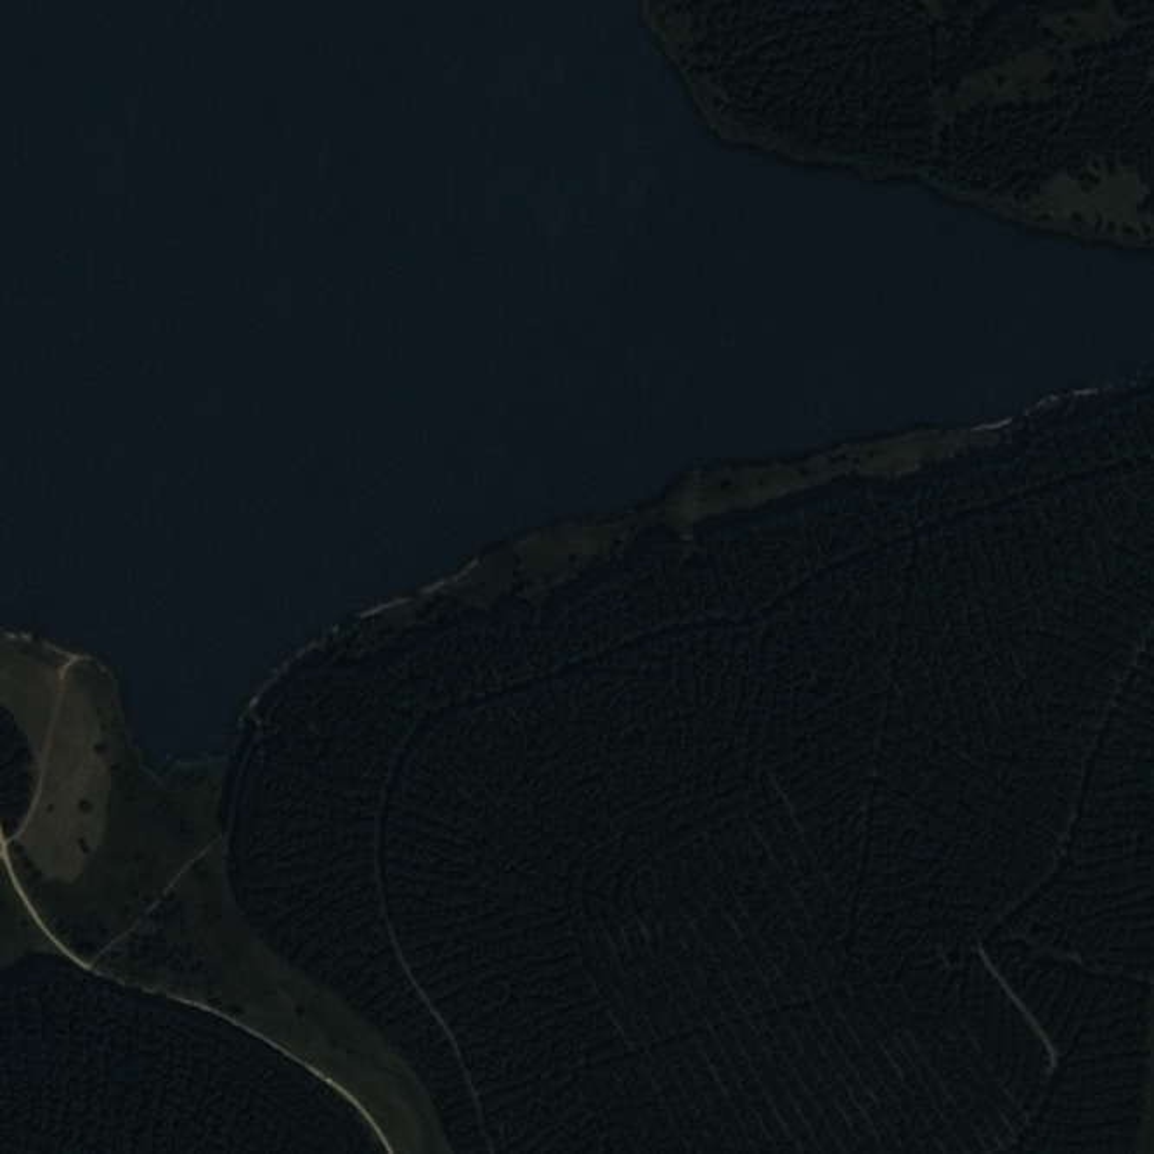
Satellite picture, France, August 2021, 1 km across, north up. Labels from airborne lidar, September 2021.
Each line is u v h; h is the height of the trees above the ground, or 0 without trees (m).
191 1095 23
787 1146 17
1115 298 0
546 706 23
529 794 18
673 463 0
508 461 0
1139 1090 18
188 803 0
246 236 0
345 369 0
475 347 0
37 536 0
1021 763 22
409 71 0
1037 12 21
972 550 19
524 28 0
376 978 20
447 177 0
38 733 0
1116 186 0
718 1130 19
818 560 18
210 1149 23
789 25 16
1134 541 16
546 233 0
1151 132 20
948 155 17
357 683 21
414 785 20
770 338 0
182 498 0
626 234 0
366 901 17
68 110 0
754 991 16
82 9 0
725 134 0
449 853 20
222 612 0
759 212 0
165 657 0
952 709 16
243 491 0
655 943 12
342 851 17
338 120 0
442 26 0
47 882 0
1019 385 0
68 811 0
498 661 20
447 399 0
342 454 0
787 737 23
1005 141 18
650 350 0
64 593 0
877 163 10
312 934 17
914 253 0
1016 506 15
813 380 0
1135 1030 18
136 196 0
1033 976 23
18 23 0
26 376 0
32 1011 15
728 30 14
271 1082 21
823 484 0
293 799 19
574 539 0
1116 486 16
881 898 20
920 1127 17
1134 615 18
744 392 0
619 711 20
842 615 22
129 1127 18
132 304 0
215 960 0
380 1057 0
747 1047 16
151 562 0
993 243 0
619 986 17
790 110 13
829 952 19
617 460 0
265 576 0
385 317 0
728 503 0
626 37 0
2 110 0
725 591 19
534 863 16
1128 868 18
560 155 0
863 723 18
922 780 15
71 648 0
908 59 9
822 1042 18
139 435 0
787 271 0
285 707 21
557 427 0
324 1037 0
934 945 21
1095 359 0
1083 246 0
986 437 0
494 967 21
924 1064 14
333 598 0
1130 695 18
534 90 0
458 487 0
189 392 0
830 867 18
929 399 0
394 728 17
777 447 0
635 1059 18
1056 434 20
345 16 0
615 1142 22
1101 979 21
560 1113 21
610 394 0
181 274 0
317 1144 19
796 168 0
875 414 0
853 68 20
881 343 0
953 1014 21
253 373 0
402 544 0
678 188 0
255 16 0
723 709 18
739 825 15
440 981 17
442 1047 23
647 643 20
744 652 16
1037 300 0
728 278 0
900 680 16
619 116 0
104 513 0
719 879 14
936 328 0
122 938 0
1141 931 16
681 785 19
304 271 0
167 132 0
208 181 0
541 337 0
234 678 0
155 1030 23
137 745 0
